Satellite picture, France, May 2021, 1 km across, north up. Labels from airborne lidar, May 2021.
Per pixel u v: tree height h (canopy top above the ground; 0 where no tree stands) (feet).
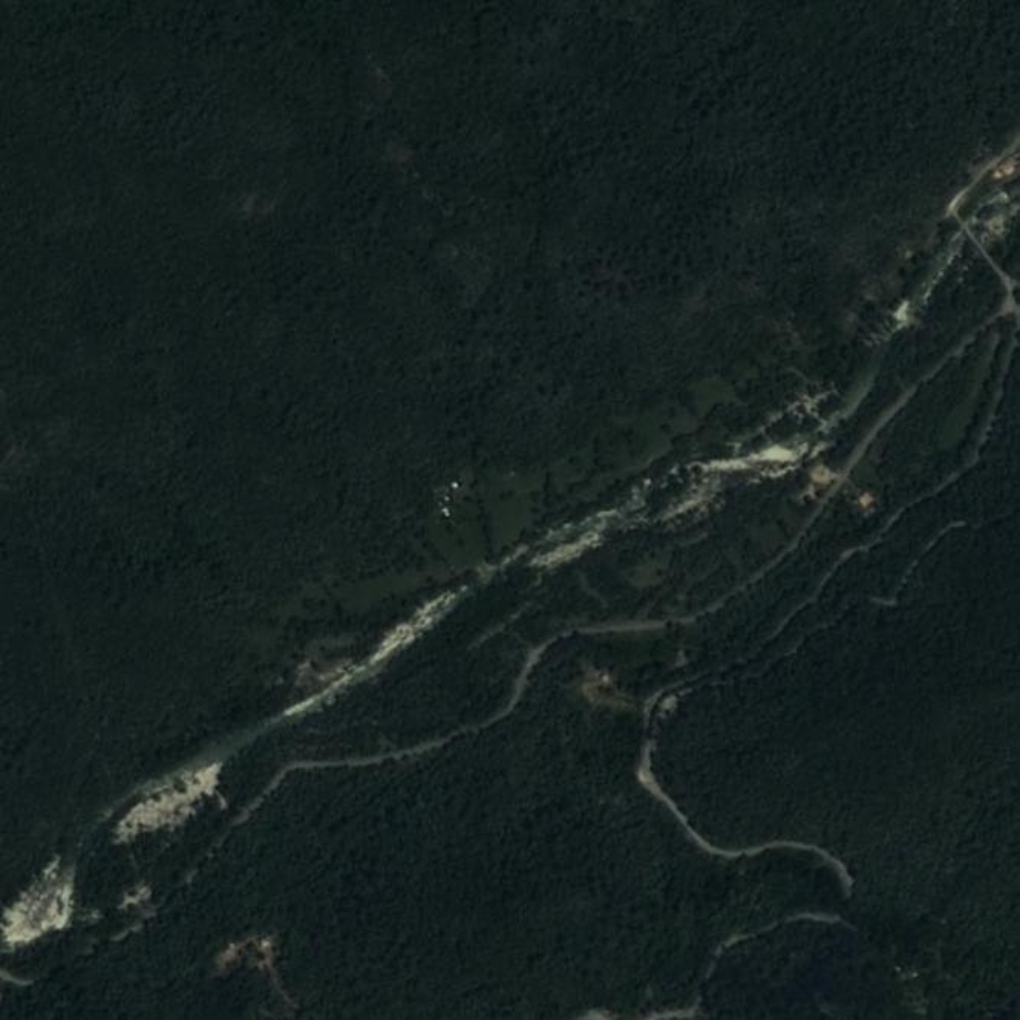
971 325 34
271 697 47
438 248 68
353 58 42
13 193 36
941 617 40
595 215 35
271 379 24
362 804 42
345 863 51
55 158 30
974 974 33
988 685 33
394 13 41
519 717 21
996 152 34
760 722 49
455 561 0
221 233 34
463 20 56
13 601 21
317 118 19
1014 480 42
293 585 40
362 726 23
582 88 27
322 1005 38
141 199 31
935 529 37
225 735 35
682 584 23
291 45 39
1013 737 43
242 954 21
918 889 22
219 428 40
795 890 58
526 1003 73
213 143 22
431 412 37
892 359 42
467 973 53
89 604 26
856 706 33
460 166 28
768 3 42
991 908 44
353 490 46
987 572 32
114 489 32
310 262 36
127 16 63
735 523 24
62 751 25
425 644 25
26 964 32
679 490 44
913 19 33
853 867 35
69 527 33
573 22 36
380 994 72
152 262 32
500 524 0
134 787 27
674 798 21
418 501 27
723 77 92
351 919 54
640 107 30
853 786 61
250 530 25
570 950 80
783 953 28
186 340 29
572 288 22
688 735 27
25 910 0
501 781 72
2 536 43
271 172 26
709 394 0
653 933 47
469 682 23
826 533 29
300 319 31
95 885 29
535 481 0
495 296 28
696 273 66
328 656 19
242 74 23
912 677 33
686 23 27
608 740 33
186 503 40
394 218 29
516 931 35
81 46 30
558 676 24
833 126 63
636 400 47
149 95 26
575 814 108
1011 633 28
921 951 24
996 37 96
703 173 43
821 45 19
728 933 34
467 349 72
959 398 40
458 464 48
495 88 46
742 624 33
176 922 48
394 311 31
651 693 31
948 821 45
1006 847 48
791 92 34
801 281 45
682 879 73
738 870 31
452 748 42
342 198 49
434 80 31
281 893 28
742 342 31
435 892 37
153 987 38
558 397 56
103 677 26
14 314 33
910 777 25
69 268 41
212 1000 57
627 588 31
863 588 50
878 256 37
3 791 28
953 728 24
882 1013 27
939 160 26
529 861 27
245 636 34
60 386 26
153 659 34
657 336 31
